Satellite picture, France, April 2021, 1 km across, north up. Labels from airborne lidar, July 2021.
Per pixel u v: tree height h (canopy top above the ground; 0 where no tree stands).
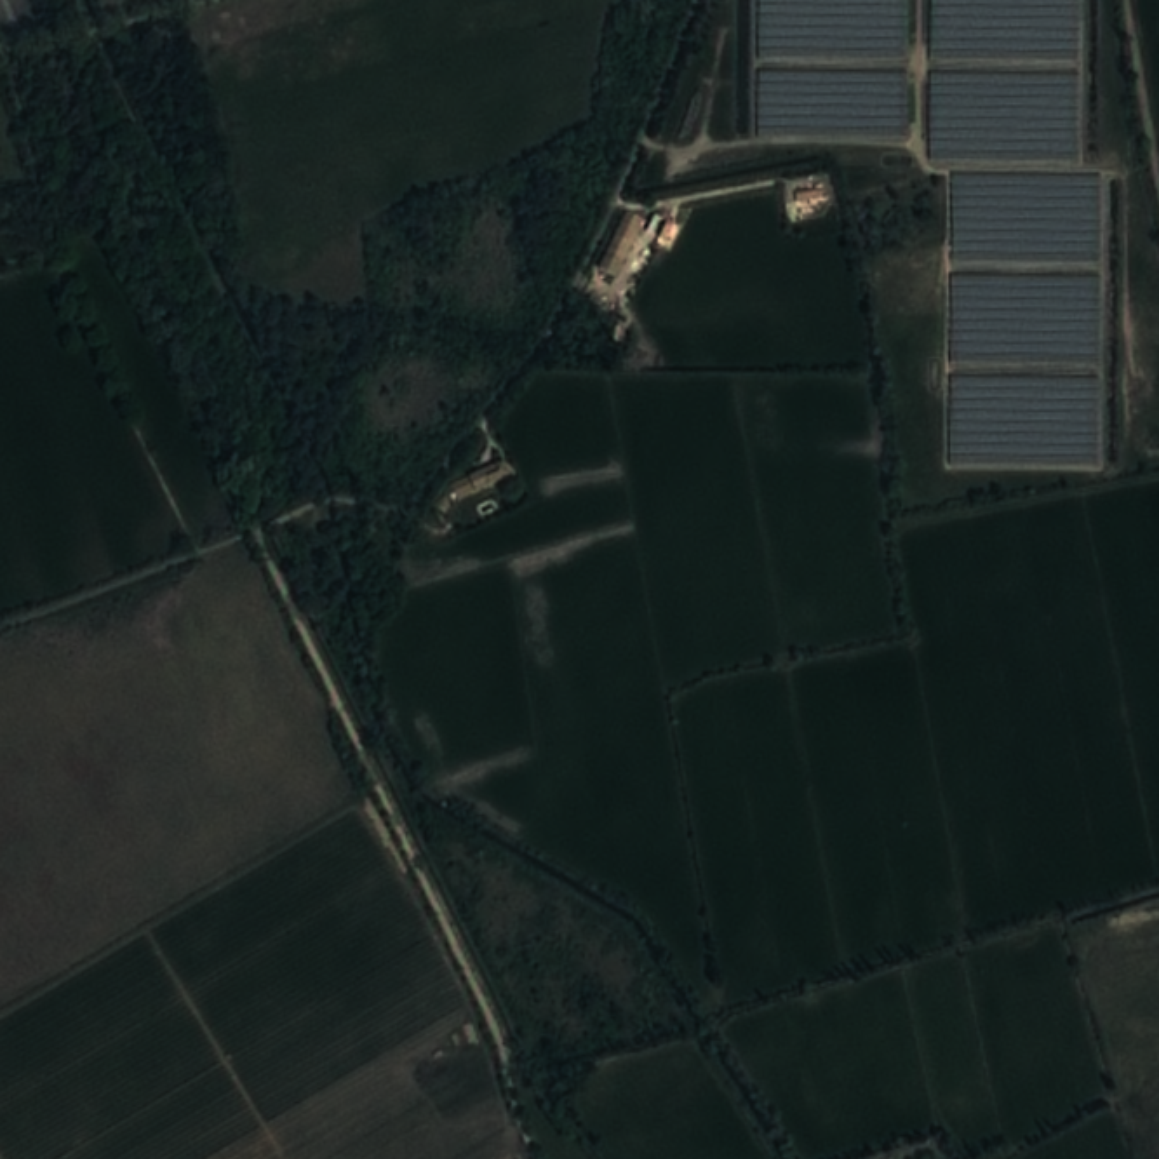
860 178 0
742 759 0
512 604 0
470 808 12
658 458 0
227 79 0
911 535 0
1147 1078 0
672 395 0
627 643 0
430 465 8
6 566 0
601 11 0
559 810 0
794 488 0
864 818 0
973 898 0
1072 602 0
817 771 0
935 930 0
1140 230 0
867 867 0
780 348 0
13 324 0
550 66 0
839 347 0
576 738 0
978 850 0
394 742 9
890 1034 0
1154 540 0
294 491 16
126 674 0
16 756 0
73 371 0
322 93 0
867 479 0
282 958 0
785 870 0
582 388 0
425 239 17
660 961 16
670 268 0
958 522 0
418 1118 0
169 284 16
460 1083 0
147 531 0
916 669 0
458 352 10
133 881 0
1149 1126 0
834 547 0
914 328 0
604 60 9
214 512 0
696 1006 12
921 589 0
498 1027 0
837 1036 0
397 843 9
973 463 0
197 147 12
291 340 16
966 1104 0
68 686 0
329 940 0
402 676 0
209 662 0
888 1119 0
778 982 0
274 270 0
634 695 0
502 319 7
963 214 0
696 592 0
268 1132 0
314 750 0
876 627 0
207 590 0
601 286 0
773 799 0
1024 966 0
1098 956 0
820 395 0
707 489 0
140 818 0
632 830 0
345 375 7
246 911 0
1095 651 0
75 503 0
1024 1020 0
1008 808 0
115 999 0
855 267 13
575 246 15
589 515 0
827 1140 0
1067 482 10
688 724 0
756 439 0
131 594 6
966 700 0
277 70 0
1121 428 0
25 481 0
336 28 0
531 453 0
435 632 0
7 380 0
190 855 0
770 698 0
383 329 10
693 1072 0
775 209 0
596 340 11
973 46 0
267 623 0
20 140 15
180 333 19
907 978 0
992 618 0
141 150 18
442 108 0
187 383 22
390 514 7
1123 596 0
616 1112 0
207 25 0
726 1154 0
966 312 0
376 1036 0
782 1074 0
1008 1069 0
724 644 0
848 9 0
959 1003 0
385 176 0
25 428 0
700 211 0
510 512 17
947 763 0
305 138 0
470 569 0
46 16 15
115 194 23
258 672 0
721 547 0
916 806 0
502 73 0
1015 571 0
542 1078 15
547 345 12
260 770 0
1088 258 0
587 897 0
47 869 0
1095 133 0
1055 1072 0
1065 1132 6
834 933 0
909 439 0
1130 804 0
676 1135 0
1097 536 0
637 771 0
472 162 0
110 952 0
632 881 0
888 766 0
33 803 0
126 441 0
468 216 7
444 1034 0
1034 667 0
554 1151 0
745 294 0
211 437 17
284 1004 0
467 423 11
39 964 0
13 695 0
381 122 0
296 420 11
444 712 0
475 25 0
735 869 0
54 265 14
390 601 17
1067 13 0
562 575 0
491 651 0
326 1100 0
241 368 12
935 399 0
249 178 0
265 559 12
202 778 0
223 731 0
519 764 0
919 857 0
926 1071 0
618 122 13
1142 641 0
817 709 0
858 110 0
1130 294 0
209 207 15
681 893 0
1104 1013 0
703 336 0
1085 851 0
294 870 0
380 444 7
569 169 8
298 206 0
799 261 0
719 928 0
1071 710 0
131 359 0
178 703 0
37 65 15
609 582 0
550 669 0
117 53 12
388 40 0
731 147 0
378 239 5
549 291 14
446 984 0
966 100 0
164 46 10
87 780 0
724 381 0
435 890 0
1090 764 0
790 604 0
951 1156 14
